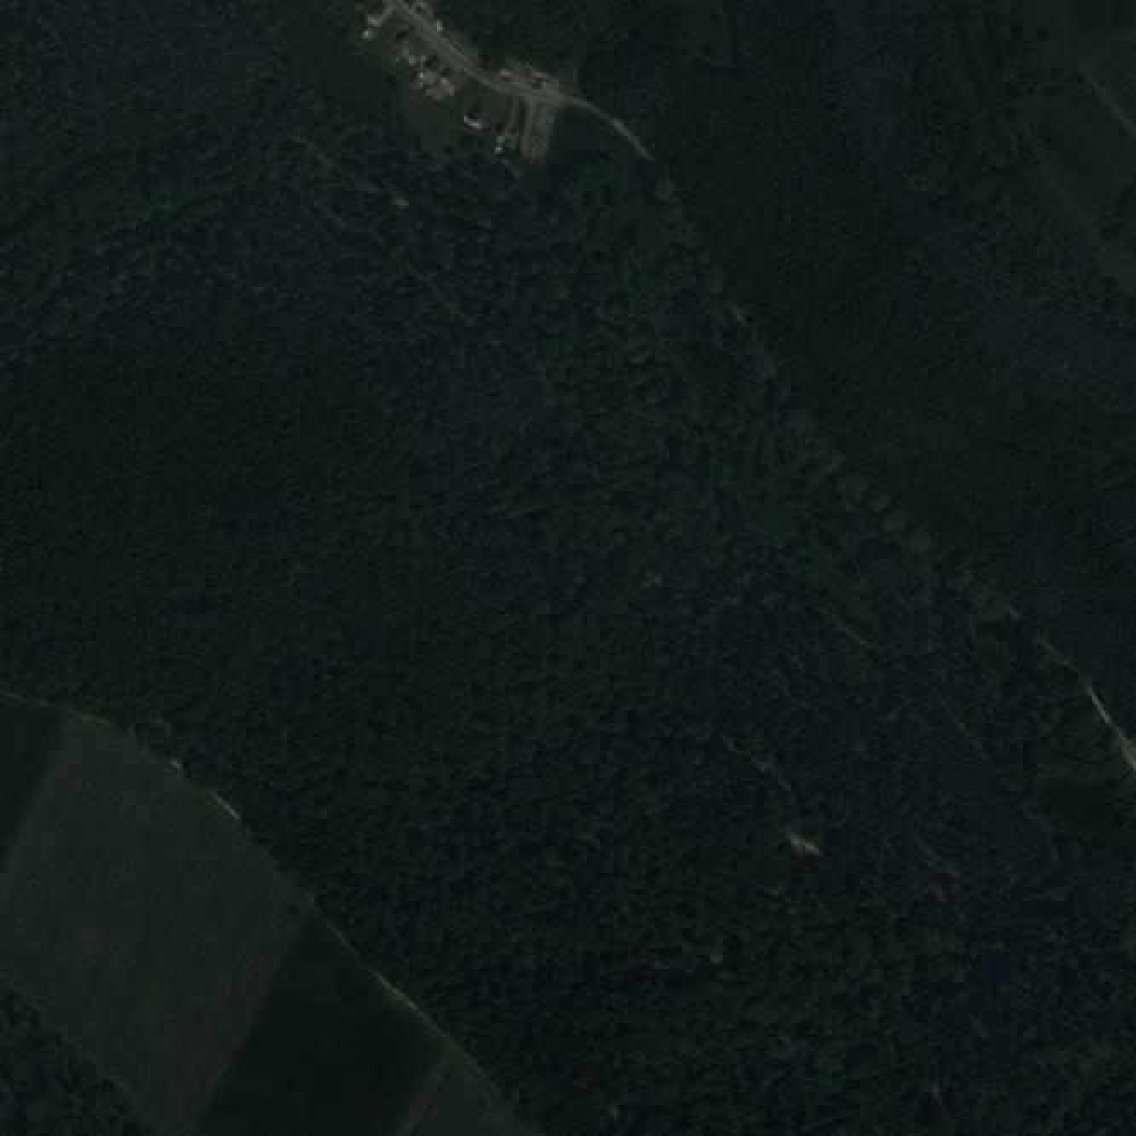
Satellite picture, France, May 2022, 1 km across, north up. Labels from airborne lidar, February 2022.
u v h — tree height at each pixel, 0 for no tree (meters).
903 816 37
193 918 0
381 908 35
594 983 29
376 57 0
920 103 11
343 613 25
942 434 17
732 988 38
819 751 34
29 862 0
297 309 36
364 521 23
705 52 0
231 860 0
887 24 19
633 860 39
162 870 0
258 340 26
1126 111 0
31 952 0
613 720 35
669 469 35
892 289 22
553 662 36
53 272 32
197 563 22
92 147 23
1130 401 20
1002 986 23
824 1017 34
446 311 40
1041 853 31
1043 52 0
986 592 30
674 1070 38
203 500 24
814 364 17
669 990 35
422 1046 0
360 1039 0
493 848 40
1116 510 20
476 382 35
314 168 29
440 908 33
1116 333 20
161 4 35
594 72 15
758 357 23
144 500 24
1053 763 22
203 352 26
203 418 21
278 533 19
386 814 39
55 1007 0
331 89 0
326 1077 0
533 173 0
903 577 30
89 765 0
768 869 34
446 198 18
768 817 33
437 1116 0
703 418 8
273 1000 0
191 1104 0
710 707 35
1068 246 20
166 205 25
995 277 10
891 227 20
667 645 37
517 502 26
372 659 31
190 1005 0
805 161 22
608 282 16
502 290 33
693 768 34
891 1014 42
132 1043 0
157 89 33
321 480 22
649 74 16
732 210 14
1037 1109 19
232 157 33
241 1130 0
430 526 28
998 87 0
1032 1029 29
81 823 0
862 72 19
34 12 33
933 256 17
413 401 25
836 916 36
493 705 37
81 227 33
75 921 0
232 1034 0
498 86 0
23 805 0
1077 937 32
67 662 26
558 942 33
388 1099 0
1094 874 24
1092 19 0
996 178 14
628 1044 37
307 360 31
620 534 28
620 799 42
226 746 25
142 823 0
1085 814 0
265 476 20
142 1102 0
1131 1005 7
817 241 17
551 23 21
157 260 34
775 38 19
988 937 40
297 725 34
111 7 35
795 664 6
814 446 34
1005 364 21
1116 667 21
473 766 32
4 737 0
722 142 22
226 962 0
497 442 33
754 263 23
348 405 29
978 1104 35
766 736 36
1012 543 22
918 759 26
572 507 35
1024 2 7
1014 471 19
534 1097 31
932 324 21
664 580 33
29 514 27
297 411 25
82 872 0
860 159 15
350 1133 0
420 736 39
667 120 17
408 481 25
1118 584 21
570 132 0
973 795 36
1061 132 0
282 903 0
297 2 0
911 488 15
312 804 36
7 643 19
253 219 34
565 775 38
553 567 38
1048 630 21
